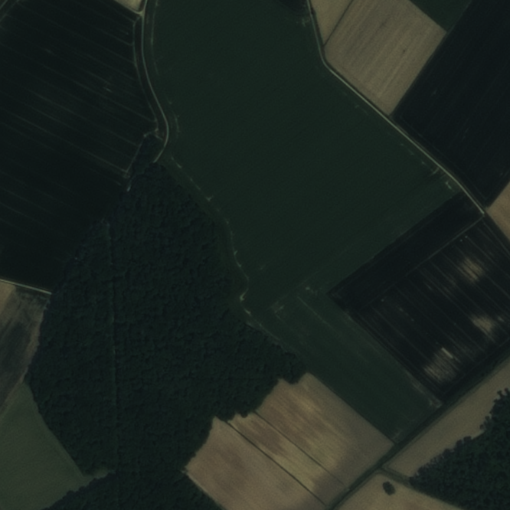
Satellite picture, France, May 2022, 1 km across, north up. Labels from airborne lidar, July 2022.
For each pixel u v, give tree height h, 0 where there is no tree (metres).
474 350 0
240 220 0
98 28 0
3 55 0
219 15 0
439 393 0
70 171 0
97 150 0
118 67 0
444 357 0
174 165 0
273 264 0
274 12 0
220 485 0
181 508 28
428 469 20
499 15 0
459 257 0
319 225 0
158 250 12
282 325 0
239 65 0
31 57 0
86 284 29
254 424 0
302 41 0
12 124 0
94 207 0
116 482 18
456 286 0
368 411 0
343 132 0
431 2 0
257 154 0
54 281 0
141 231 31
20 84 0
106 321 26
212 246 21
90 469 21
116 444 20
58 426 24
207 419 24
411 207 0
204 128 0
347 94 0
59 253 0
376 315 0
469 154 0
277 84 0
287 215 0
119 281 28
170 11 0
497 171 0
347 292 0
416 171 0
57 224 0
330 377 0
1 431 0
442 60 0
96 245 25
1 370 0
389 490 19
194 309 23
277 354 22
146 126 0
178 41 0
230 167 0
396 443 0
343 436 0
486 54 0
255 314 0
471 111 0
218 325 29
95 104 0
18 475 0
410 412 0
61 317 19
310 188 0
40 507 0
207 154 0
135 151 0
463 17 0
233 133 0
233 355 23
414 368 0
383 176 0
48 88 0
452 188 0
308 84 0
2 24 0
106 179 0
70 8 0
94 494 22
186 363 25
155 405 26
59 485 0
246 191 0
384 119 0
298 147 0
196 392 28
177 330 28
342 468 0
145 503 26
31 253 0
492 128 0
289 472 0
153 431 28
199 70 0
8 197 0
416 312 0
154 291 26
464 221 0
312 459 0
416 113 0
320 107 0
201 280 27
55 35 0
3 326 0
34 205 0
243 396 24
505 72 0
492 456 8
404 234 0
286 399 0
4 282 0
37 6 0
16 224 0
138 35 0
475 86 0
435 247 0
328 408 0
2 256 0
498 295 0
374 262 0
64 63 0
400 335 0
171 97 0
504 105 0
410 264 0
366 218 0
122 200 18
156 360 25
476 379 0
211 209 0
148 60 0
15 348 0
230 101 0
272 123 0
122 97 0
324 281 0
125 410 27
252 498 0
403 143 0
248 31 0
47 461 0
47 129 0
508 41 0
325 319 0
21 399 0
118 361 23
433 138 0
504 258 0
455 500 21
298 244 0
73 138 0
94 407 24
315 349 0
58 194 0
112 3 0
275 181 0
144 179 22
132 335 28
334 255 0
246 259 0
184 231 26
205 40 0
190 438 25
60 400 28
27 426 0
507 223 0
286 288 0
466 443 18
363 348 0
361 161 0
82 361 28
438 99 0
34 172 0
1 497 0
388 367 0
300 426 0
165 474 24
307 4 0
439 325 0
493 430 23
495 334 0
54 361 26
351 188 0
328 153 0
